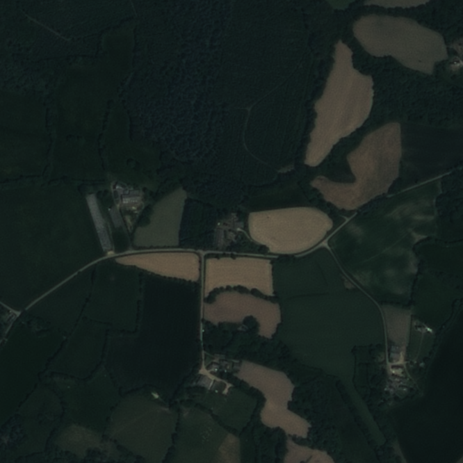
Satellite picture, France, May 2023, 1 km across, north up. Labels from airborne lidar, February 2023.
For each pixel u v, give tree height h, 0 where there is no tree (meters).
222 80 7
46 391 0
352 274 0
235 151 6
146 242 0
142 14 6
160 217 0
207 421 0
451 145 0
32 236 0
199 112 21
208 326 13
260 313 0
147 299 0
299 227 0
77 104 0
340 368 0
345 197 0
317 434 19
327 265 0
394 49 0
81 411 0
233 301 0
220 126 17
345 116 0
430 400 0
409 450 0
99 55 15
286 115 6
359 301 0
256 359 13
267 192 22
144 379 0
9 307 0
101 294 0
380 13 15
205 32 26
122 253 0
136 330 8
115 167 0
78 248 0
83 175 0
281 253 0
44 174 7
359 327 0
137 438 0
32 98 11
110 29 17
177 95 25
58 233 0
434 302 0
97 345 0
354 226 0
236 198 23
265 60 6
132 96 15
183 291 0
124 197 0
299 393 16
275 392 0
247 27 6
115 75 0
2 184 7
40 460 10
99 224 0
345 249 0
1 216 0
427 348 0
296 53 7
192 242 20
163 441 0
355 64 13
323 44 28
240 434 7
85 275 0
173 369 0
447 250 0
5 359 0
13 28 17
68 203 0
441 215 14
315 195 11
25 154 0
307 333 0
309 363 0
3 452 14
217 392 0
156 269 0
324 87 14
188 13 17
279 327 11
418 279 7
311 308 0
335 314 0
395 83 14
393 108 13
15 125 0
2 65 12
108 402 0
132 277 0
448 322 8
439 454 0
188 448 0
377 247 0
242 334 18
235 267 0
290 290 0
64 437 0
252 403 0
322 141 0
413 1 0
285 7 6
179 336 0
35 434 0
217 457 0
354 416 6
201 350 8
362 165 0
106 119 14
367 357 0
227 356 11
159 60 7
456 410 0
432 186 0
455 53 9
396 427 0
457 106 16
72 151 0
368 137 0
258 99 7
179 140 21
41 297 0
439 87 12
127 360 0
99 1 6
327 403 9
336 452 12
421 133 0
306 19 26
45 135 0
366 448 0
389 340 0
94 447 0
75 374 0
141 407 0
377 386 11
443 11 12
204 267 0
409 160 0
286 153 6
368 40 0
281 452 23
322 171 9
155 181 0
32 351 0
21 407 7
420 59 0
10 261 0
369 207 16
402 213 0
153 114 21
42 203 0
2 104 0
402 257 0
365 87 0
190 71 20
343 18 25
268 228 0
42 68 16
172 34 13
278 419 0
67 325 0
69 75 0
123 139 0
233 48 6
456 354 0
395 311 0
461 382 0
